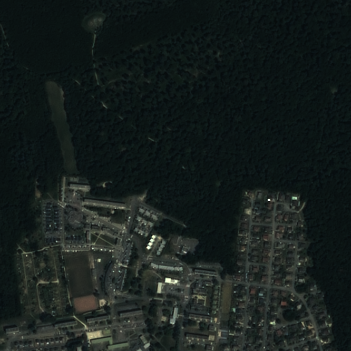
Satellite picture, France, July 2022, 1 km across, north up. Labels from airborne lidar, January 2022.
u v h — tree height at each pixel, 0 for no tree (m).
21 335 0
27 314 0
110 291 0
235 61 9
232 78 29
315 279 9
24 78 21
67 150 0
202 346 0
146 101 23
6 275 21
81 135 29
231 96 21
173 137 20
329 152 26
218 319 0
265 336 0
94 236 0
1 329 0
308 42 30
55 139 18
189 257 25
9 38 9
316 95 24
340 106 26
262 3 12
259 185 17
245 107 22
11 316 22
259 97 24
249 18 5
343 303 25
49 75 18
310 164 22
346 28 30
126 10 24
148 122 21
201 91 27
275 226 0
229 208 28
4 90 24
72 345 20
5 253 20
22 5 8
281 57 25
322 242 19
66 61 12
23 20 10
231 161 23
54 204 0
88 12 23
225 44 25
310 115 24
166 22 12
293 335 6
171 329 7
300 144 20
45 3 8
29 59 14
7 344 0
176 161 20
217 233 23
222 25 22
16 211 19
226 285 0
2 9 14
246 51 28
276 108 24
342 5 29
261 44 26
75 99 23
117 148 29
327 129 20
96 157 28
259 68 24
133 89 28
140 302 0
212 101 23
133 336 0
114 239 0
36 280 12
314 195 19
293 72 24
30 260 0
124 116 22
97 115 32
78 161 17
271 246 0
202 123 16
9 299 29
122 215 0
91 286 0
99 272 0
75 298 0
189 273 0
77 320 0
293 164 22
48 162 21
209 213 25
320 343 0
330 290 25
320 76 27
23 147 22
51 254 0
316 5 31
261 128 28
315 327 0
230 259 21
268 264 0
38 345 0
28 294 0
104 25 7
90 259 0
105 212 0
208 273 0
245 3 33
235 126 26
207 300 0
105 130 24
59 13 9
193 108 23
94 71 24
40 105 5
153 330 18
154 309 16
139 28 15
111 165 24
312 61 20
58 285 0
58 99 0
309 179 24
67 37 11
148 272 0
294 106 22
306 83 26
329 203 23
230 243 26
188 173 26
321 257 16
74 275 0
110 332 0
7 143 9
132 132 24
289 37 26
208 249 25
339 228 18
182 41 26
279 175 20
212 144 23
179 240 0
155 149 27
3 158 10
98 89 24
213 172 19
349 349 25
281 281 0
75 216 0
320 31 22
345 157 25
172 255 0
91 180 20
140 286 16
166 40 26
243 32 24
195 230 23
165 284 0
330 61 20
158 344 19
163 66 30
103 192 22
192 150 25
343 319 22
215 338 0
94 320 0
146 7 25
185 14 18
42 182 18
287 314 19
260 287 0
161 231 21
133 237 0
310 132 27
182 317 0
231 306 0
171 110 25
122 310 0
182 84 0
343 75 22
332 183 24
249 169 29
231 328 7
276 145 32
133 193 17
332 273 26
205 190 20
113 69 25
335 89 0
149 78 29
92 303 0
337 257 24
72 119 22
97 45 8
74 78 25
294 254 0
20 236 17
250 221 0
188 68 29
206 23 20
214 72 22
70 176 8
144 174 22
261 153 23
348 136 24
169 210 25
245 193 0
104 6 23
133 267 0
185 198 31
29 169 25
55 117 0
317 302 0
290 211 0
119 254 0
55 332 0
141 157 25
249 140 21
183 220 18
